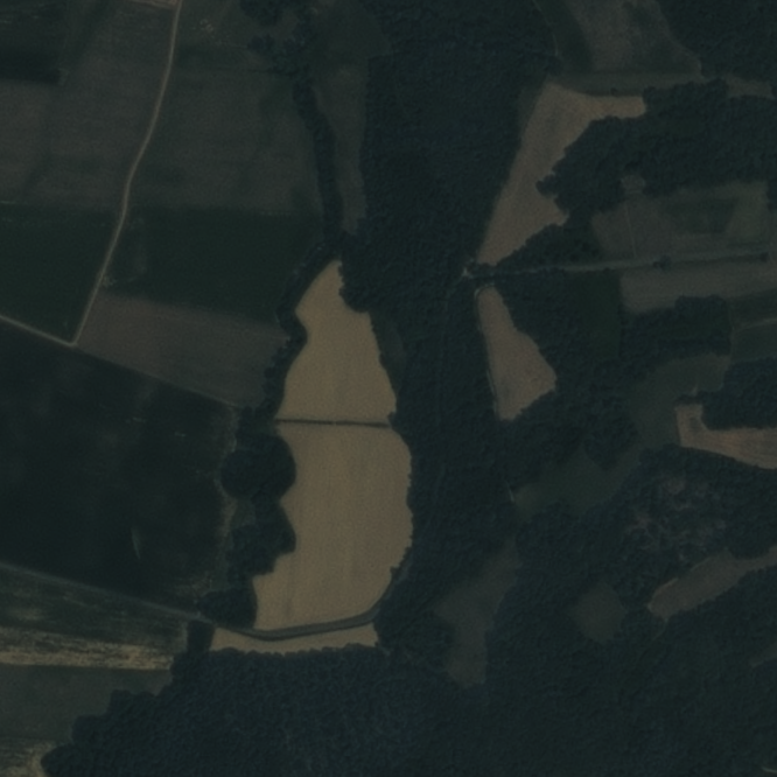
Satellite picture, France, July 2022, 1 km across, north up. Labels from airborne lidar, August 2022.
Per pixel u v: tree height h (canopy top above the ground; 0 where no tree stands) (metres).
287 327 20
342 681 26
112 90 0
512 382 0
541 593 18
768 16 21
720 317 13
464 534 20
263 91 0
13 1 0
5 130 0
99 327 0
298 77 22
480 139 22
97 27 0
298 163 0
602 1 0
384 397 0
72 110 0
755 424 21
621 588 20
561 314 18
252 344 0
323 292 0
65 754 17
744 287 0
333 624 0
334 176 15
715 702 20
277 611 0
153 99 0
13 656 0
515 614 21
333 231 21
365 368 0
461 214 21
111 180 0
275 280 0
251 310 0
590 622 0
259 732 28
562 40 0
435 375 22
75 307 0
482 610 0
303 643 0
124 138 0
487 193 18
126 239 0
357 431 0
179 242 0
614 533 21
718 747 22
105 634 0
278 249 0
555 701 18
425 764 18
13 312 0
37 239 0
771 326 0
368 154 20
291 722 27
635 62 0
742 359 0
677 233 0
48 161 0
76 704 0
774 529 16
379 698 28
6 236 0
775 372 23
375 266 14
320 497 0
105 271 0
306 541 0
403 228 16
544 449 19
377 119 7
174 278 0
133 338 0
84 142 0
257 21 18
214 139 0
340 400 0
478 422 14
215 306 0
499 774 18
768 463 0
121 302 0
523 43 19
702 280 0
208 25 0
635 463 0
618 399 23
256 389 0
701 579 0
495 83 16
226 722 30
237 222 0
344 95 0
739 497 18
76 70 0
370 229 24
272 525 26
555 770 11
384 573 0
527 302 18
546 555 20
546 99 0
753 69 17
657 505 21
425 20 23
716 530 18
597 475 0
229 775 22
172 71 0
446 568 24
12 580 0
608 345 0
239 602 22
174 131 0
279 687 30
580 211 21
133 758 26
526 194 0
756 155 26
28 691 0
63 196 0
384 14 9
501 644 21
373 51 0
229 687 28
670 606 0
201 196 0
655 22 0
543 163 0
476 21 7
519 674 14
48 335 0
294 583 0
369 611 0
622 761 21
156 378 0
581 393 25
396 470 0
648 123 18
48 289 0
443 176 19
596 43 0
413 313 23
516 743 17
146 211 0
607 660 17
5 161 0
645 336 23
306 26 9
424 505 19
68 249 0
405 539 0
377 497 0
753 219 0
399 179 15
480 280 13
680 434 0
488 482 16
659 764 24
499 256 0
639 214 0
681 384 0
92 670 0
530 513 0
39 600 0
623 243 0
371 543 0
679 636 19
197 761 26
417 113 8
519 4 16
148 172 0
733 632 15
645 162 19
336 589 0
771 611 16
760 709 17
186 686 16
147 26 0
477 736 20
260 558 26
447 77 22
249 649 0
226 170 0
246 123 0
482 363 15
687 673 18
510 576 0
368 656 28
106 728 10
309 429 0
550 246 16
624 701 9
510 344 0
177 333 0
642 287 0
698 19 19
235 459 14
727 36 21
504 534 23
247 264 0
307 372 0
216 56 0
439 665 20
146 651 0
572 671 22
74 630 0
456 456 22
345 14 0
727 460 8
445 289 16
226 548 0
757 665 0
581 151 21
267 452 23
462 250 12
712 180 19
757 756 23
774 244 0
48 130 0
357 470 0
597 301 0
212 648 0
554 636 18
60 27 0
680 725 24
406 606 12
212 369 0
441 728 27
